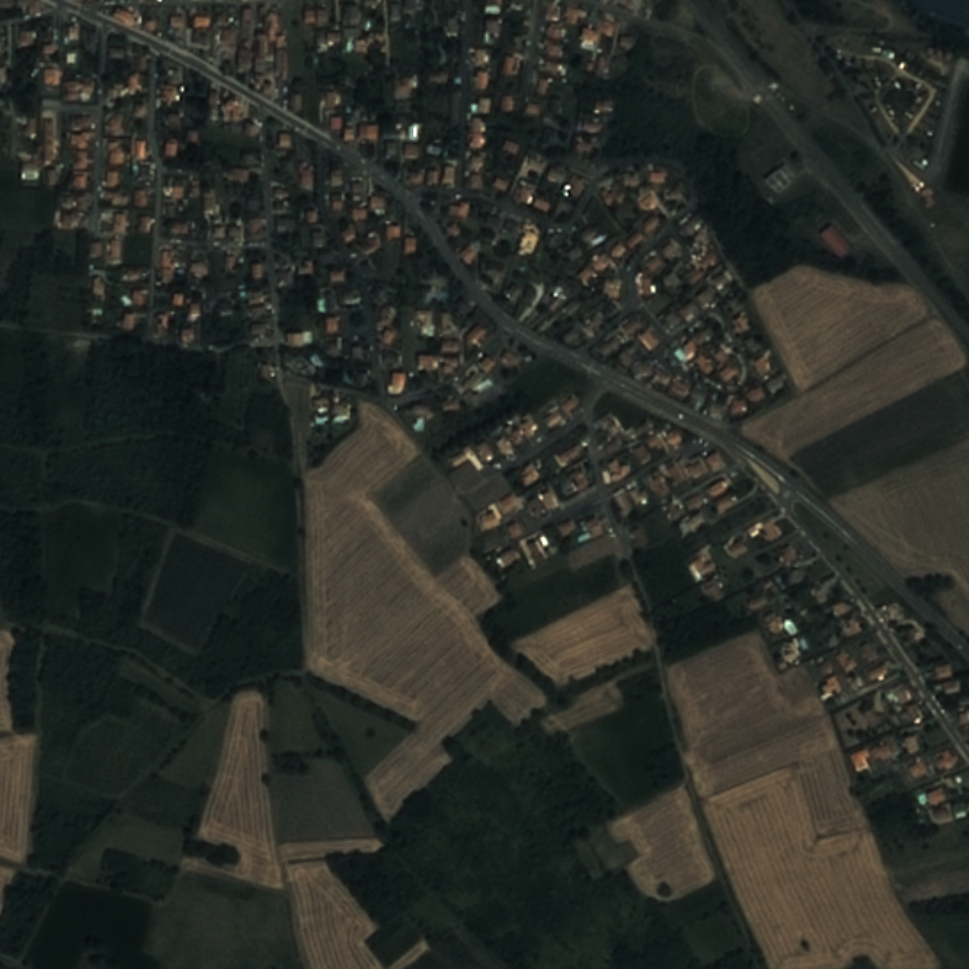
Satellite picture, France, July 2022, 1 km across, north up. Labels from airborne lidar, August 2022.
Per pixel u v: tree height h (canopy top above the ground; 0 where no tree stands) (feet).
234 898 0
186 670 22
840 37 0
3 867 0
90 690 37
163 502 18
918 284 0
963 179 0
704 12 0
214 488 0
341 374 25
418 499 0
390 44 0
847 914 0
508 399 21
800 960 0
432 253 34
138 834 0
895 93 19
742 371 0
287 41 0
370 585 0
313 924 0
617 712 0
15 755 0
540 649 0
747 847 0
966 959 0
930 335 0
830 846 0
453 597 0
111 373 27
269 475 0
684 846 0
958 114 0
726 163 73
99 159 0
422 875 21
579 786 24
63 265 29
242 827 0
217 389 28
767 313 0
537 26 0
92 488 21
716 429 0
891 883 0
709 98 0
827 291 0
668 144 22
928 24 30
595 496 0
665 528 0
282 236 33
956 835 0
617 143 27
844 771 0
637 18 0
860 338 0
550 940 0
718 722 0
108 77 31
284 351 30
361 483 0
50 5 0
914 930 0
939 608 0
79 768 0
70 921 0
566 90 0
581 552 0
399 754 0
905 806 21
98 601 28
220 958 0
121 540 22
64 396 0
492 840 0
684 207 20
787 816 0
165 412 33
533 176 39
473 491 0
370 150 20
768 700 0
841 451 0
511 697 0
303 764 18
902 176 0
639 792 0
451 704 0
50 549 0
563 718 0
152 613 0
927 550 0
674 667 0
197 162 28
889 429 0
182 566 0
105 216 0
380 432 0
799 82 0
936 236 0
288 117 0
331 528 0
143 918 0
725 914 29
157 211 0
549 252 20
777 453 0
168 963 0
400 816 22
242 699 0
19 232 0
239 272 24
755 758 0
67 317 0
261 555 0
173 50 0
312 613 0
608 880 18
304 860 0
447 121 21
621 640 0
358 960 0
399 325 20
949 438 0
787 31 0
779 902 0
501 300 26
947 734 0
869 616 0
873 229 0
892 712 26
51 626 0
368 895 30
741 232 32
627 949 25
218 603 0
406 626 0
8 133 0
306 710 0
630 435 0
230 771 0
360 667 0
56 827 35
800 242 27
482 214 31
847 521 0
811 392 0
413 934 0
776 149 0
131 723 0
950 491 0
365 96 41
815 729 0
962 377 0
